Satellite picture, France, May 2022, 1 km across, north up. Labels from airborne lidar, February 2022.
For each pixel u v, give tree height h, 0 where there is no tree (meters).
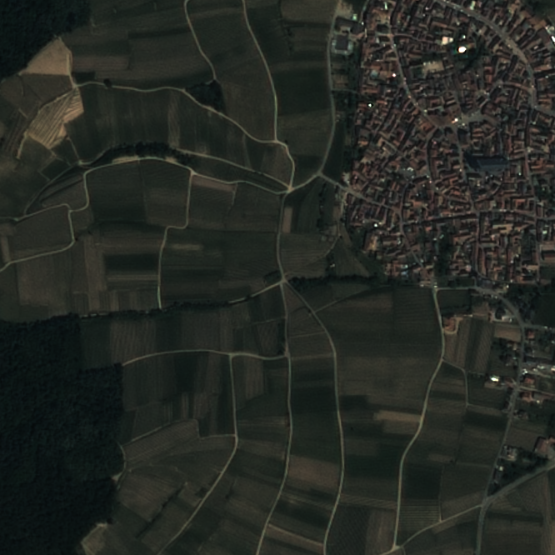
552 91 0
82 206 0
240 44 0
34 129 0
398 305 0
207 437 0
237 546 0
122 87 0
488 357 0
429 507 0
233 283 0
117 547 0
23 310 0
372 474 0
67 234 0
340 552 0
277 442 0
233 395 0
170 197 0
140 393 0
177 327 0
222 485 0
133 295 0
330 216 0
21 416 16
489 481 0
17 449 19
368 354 0
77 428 19
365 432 0
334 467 0
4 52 19
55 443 15
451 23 0
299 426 0
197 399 0
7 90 0
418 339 0
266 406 0
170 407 0
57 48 0
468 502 0
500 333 0
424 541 0
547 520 0
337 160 0
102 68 0
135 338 0
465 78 0
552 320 0
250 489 0
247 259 0
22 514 9
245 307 0
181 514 0
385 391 0
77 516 17
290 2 0
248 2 0
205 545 0
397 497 0
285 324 0
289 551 0
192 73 0
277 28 0
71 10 12
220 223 0
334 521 0
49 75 0
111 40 0
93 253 0
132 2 0
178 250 0
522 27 0
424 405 0
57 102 0
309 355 0
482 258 0
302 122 0
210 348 0
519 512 0
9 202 0
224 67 0
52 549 10
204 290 0
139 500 0
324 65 0
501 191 0
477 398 0
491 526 0
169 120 0
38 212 0
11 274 0
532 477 0
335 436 0
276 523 0
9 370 17
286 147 0
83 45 0
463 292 0
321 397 0
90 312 0
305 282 13
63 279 0
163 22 0
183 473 0
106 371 10
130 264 0
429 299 0
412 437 0
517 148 0
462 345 0
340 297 0
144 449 0
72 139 0
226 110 0
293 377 0
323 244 0
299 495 0
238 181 0
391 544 0
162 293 0
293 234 0
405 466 0
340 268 0
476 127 0
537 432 0
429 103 0
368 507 0
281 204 0
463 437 0
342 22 0
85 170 0
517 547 0
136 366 0
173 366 0
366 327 0
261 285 0
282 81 0
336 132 0
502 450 0
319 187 0
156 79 0
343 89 0
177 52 0
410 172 0
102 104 0
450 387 0
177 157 11
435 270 0
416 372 0
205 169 0
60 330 20
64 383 18
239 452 0
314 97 0
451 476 0
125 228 0
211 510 0
